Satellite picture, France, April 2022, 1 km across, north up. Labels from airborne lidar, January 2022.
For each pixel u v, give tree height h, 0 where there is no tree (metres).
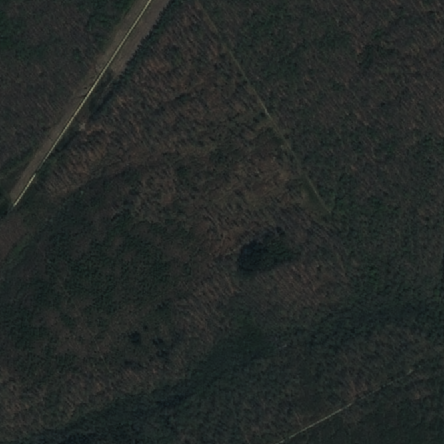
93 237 8
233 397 24
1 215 0
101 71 0
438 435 27
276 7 24
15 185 0
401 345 31
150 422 22
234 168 8
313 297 28
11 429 16
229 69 29
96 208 15
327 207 20
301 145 26
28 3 19
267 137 7
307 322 29
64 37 24
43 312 9
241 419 25
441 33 31
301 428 10
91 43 28
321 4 26
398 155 31
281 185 0
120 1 25
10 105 24
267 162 31
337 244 33
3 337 9
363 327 27
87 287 7
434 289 26
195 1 21
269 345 11
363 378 25
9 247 16
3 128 28
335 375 23
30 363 11
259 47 24
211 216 30
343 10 28
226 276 32
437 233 29
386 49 14
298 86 23
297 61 26
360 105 26
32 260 9
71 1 21
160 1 0
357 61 20
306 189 0
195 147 31
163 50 30
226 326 27
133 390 29
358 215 26
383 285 23
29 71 23
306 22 22
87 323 7
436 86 28
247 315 18
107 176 8
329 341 14
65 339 7
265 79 23
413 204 27
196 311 27
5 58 21
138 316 7
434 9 29
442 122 30
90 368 9
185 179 6
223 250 14
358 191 25
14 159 25
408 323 29
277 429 26
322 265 30
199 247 6
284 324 28
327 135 24
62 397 28
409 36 28
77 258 7
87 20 25
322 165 28
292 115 25
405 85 22
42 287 8
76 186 28
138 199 28
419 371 19
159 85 27
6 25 21
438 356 25
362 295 31
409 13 26
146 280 8
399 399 24
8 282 15
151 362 13
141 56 18
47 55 25
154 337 7
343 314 14
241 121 0
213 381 22
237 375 25
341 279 28
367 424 7
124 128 32
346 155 28
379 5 26
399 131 27
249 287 29
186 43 31
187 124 28
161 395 25
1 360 8
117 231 11
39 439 36
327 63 25
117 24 23
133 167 9
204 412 24
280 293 24
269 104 24
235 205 0
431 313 23
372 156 30
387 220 26
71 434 23
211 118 28
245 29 23
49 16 23
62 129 0
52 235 9
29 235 17
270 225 0
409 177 32
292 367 7
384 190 30
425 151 27
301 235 33
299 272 26
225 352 16
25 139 28
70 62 29
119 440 10
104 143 33
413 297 27
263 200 0
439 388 27
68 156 10
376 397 24
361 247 28
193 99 6
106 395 19
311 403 9
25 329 12
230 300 29
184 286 9
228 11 23
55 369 7
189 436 24
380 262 23
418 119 29
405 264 30
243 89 24
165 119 28
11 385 10
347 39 26
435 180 28
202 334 25
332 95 26
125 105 0
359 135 26
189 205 27
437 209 29
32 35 22
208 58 28
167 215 27
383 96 24
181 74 28
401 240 29
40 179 0
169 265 8
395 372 25
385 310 28
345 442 8
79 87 27
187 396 21
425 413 26
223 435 9
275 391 23
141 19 0
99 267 7
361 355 29
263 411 25
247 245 31
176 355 28
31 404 25
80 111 0
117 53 0
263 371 23
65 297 8
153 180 0
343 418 0
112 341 7
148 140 31
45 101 24
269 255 29
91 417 16
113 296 8
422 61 11
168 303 15
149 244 6
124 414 26
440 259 27
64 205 10
